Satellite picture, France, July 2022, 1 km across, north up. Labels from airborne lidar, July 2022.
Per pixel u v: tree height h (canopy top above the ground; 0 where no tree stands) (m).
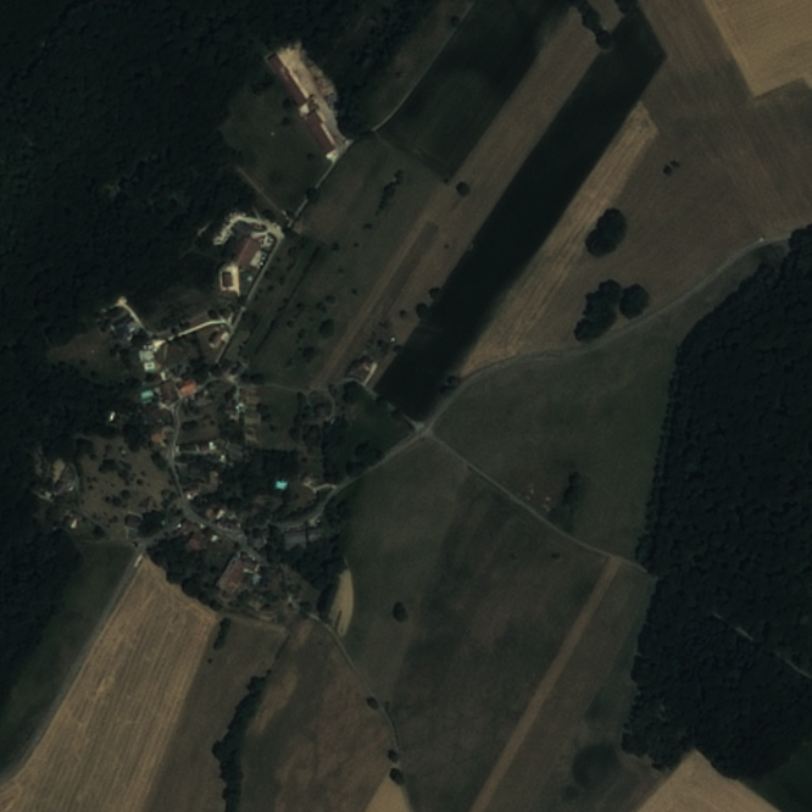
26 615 25
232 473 8
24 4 15
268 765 0
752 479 25
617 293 20
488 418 0
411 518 0
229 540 0
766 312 26
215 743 0
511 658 0
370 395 0
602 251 18
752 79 0
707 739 24
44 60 20
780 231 0
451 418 0
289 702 0
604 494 0
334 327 13
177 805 0
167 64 30
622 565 0
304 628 0
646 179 0
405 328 0
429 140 0
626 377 0
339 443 6
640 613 0
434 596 0
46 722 0
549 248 0
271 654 0
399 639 0
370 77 7
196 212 16
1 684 30
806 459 29
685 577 28
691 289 0
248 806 0
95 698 0
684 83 0
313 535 0
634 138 0
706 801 0
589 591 0
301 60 0
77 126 23
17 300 26
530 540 0
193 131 32
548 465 0
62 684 0
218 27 31
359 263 0
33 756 0
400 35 23
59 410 13
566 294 0
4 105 26
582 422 0
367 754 0
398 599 0
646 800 0
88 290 32
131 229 26
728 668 26
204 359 9
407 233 0
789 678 26
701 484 28
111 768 0
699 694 30
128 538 0
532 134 0
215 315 11
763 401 28
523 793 0
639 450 0
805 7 0
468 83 0
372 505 0
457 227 0
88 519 7
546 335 0
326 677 0
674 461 21
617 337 0
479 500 0
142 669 0
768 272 15
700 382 27
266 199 0
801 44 0
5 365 32
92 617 0
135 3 20
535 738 0
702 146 0
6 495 32
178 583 12
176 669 0
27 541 28
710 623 24
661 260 0
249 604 0
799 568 28
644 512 0
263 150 0
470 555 0
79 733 0
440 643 0
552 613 0
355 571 0
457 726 0
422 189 0
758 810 0
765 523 29
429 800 0
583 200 0
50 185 23
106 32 28
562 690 0
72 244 25
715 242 0
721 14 0
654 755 12
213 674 0
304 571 20
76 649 0
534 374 0
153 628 0
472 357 0
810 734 20
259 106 0
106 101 20
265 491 8
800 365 25
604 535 0
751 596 20
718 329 24
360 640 0
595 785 0
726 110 0
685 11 0
